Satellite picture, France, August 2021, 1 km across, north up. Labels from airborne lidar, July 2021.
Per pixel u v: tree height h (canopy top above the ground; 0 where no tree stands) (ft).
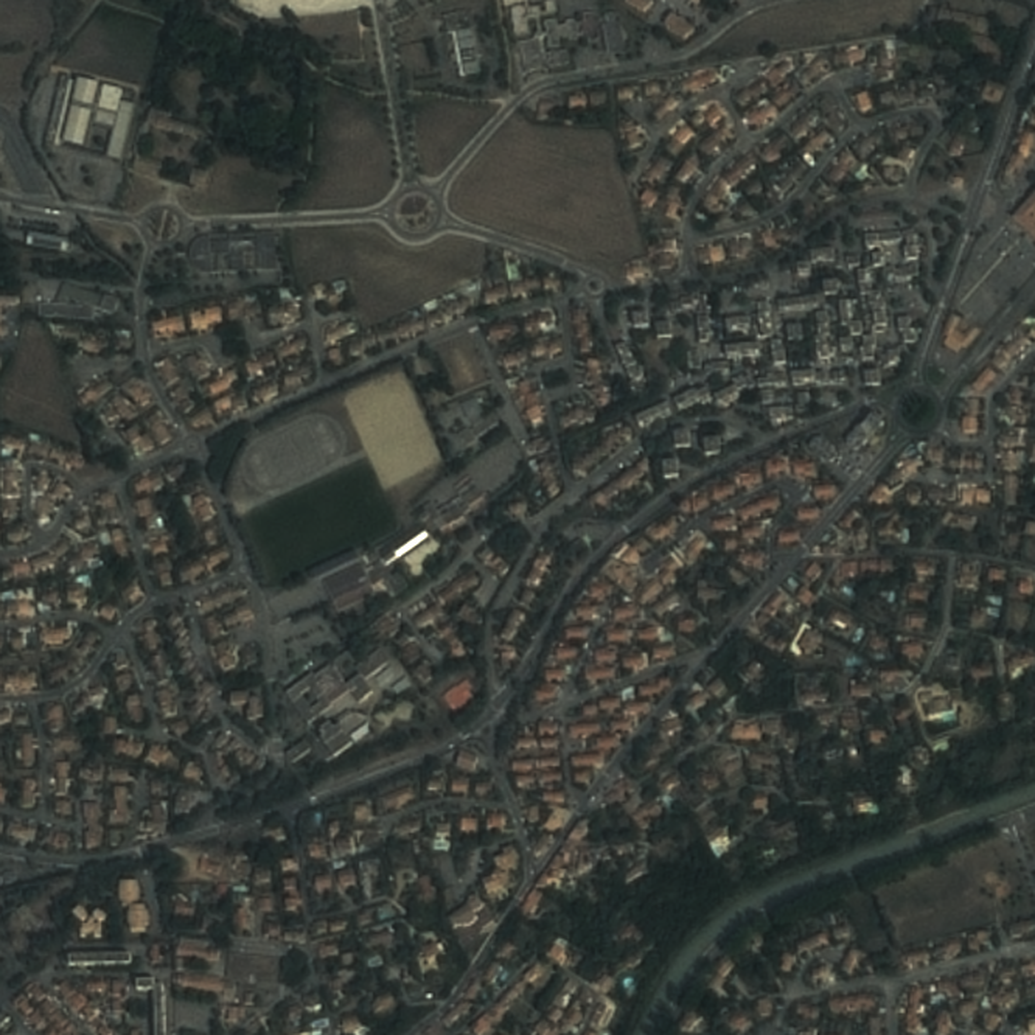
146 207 0
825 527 0
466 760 0
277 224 0
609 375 20
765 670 22
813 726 38
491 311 38
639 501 22
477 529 24
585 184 0
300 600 0
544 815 23
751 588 37
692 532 0
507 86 23
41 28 0
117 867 37
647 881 54
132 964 26
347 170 0
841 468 0
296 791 36
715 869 40
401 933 43
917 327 23
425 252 0
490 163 0
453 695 0
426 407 24
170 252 20
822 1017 29
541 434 19
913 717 38
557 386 31
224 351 29
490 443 42
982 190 0
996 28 32
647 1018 0
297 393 0
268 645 0
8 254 56
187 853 0
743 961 21
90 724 39
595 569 24
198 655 0
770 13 0
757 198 37
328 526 0
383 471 0
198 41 90
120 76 0
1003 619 29
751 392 31
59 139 0
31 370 0
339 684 0
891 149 22
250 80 39
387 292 0
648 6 0
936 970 0
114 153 0
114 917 38
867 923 0
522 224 0
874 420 0
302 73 100
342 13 0
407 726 0
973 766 53
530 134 0
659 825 46
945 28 64
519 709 28
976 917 0
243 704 0
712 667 35
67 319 18
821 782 20
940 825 0
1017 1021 35
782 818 46
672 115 0
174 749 41
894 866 69
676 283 0
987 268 0
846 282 34
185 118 38
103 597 29
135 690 20
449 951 22
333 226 0
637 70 0
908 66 20
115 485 0
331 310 32
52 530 0
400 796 0
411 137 20
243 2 0
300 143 25
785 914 98
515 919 32
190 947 0
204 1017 0
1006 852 0
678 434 0
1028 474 25
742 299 40
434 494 0
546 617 26
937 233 31
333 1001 36
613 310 43
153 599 0
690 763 38
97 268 27
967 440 0
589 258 0
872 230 0
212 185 0
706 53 0
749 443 28
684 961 0
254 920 0
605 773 0
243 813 42
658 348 0
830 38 0
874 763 39
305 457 0
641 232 23
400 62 20
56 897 26
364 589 0
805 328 35
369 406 0
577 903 38
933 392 0
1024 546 30
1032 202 0
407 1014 49
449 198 0
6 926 39
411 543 0
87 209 0
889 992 0
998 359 0
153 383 0
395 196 0
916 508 23
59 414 0
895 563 37
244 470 0
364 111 0
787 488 0
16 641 0
